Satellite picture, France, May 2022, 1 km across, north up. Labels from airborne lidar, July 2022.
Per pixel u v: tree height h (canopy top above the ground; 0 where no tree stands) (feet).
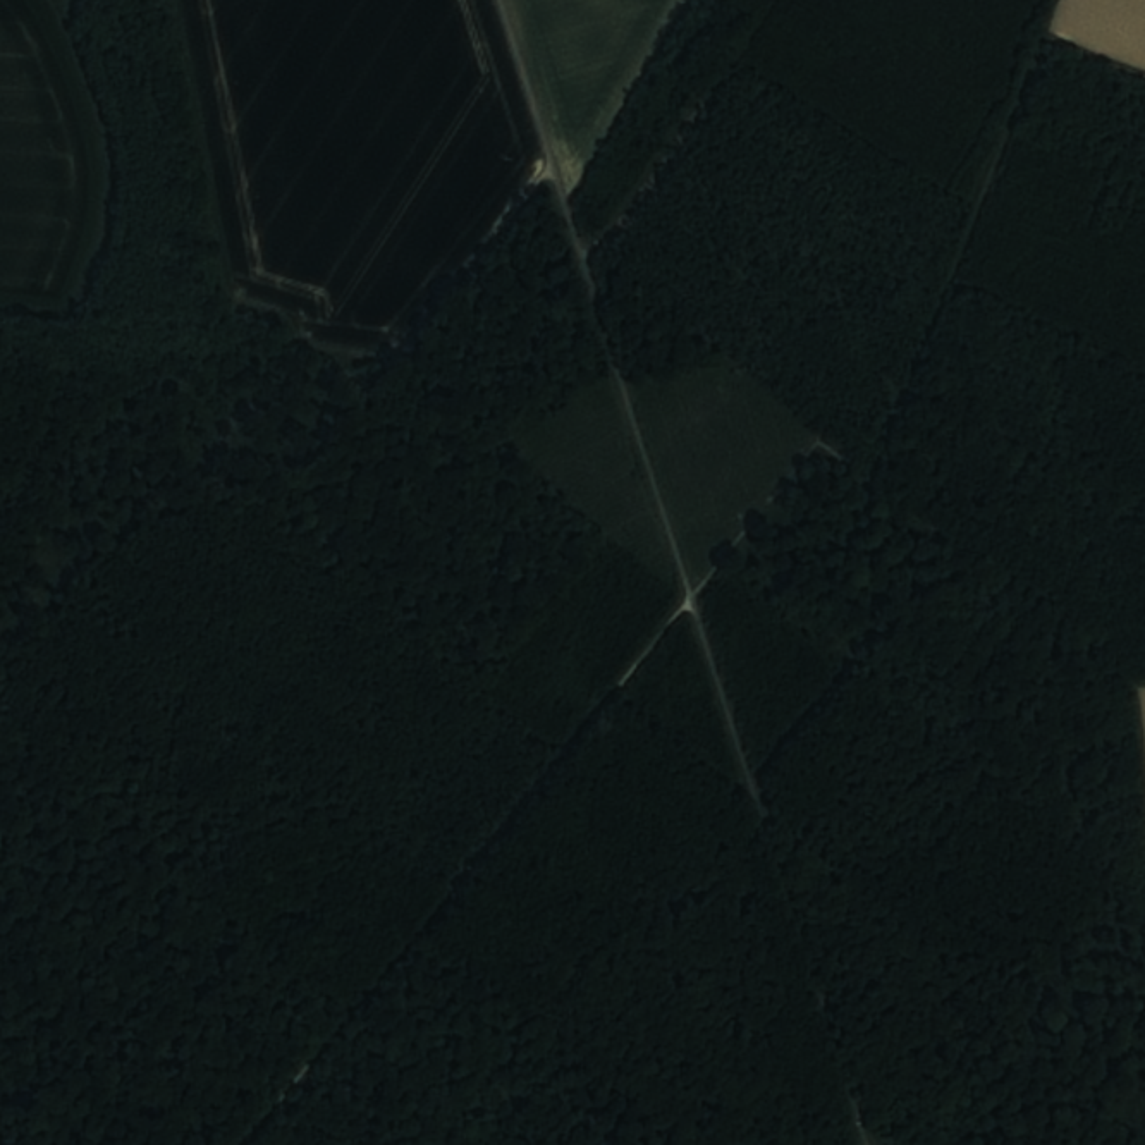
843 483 73
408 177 0
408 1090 67
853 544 79
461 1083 68
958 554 83
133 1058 73
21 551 70
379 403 76
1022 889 94
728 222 59
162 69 67
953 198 43
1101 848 72
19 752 56
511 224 63
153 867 89
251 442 93
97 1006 77
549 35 0
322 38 0
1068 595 76
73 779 58
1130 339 30
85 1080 87
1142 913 54
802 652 37
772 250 48
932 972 88
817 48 22
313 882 71
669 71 77
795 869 75
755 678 31
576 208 40
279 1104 21
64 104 0
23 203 0
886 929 76
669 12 0
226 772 67
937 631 85
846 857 73
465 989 79
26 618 95
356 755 69
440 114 0
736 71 46
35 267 0
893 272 51
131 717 73
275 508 84
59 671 61
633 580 35
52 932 82
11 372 81
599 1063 76
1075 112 76
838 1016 84
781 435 0
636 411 0
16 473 81
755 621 26
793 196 55
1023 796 67
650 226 58
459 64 0
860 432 55
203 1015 79
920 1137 69
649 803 87
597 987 81
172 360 73
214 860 51
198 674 57
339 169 0
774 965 77
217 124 0
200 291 81
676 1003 77
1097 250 32
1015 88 29
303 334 0
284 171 0
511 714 28
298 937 83
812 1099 85
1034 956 85
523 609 88
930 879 73
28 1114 103
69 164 0
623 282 77
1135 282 33
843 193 57
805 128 54
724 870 81
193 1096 88
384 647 68
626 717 81
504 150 0
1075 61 57
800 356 62
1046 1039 72
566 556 62
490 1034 66
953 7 21
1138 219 33
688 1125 73
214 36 0
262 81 0
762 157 47
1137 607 62
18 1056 90
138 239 75
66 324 71
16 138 0
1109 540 72
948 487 70
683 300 60
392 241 0
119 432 75
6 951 68
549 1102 63
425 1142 52
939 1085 54
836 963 65
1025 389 73
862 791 89
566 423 0
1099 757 82
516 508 71
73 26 59
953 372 79
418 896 79
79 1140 83
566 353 78
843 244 57
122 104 73
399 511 87
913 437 80
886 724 57
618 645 35
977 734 80
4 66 0
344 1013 49
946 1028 70
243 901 74
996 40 21
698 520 0
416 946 75
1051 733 90
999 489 82
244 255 0
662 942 85
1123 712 66
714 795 85
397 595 78
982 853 83
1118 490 63
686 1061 70
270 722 68
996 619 85
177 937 79
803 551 66
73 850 65
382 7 0
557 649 39
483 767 61
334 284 0
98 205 0
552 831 84
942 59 22
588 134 0
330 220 0
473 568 83
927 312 49
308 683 57
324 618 56
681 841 80
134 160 77
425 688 68
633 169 33
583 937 84
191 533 68
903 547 90
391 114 0
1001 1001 84
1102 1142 64
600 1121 93
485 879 76
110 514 69
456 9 0
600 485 0
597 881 82
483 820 57
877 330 53
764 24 19
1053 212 30
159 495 84
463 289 74
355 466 65
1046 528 65
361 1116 76
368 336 0
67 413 84
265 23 0
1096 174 35
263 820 70
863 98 19
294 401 95
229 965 85
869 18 20
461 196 0
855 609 85
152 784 62
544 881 89
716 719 31
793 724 30
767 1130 74
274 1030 68
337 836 73
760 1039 64
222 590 62
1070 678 79
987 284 34
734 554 74
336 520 81
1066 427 61
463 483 84
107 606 54
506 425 86
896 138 21
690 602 0
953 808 81
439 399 100
